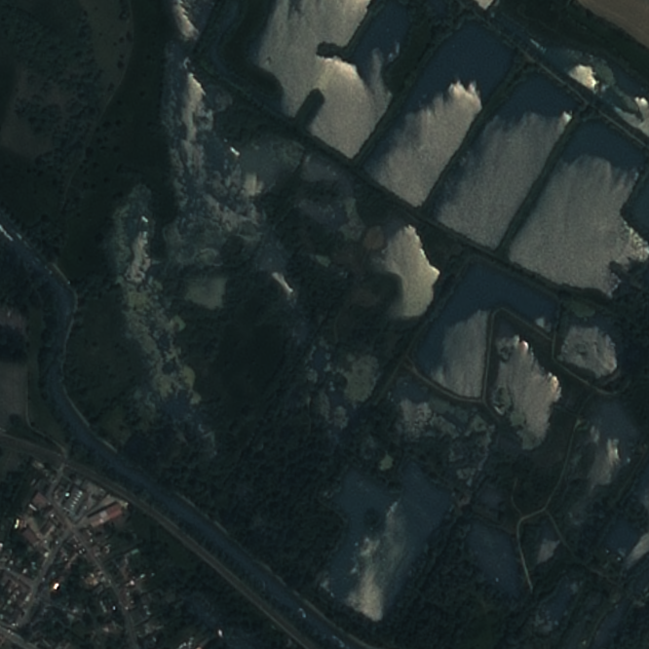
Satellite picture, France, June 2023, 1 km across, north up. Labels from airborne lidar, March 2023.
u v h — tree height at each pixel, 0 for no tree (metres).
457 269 5
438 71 0
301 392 7
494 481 6
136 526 0
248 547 18
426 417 0
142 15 0
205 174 0
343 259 0
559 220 0
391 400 0
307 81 0
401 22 0
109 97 0
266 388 6
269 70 0
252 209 0
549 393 0
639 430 0
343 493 0
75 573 15
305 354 12
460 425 0
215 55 0
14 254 29
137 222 0
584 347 0
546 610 0
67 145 11
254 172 0
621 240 0
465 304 0
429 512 0
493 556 0
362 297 0
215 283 0
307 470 15
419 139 0
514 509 0
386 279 0
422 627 14
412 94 0
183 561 0
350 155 0
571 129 0
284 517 9
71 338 7
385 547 0
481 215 0
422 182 0
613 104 0
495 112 0
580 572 6
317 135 0
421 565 10
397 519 0
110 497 0
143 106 0
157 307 0
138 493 13
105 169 0
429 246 0
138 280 0
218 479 7
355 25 0
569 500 7
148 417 0
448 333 0
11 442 0
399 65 0
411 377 0
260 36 0
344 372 0
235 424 13
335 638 0
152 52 0
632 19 0
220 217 0
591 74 0
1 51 0
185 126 0
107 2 0
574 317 0
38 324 0
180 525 13
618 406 0
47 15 0
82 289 7
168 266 0
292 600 0
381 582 0
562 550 8
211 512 8
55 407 15
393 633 12
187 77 0
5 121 0
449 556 13
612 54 0
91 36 13
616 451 0
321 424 11
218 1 6
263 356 0
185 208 0
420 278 0
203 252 0
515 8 0
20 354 17
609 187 0
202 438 0
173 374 0
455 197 0
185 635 0
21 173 0
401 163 0
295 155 0
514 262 0
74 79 6
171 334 0
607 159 0
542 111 0
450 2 10
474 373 0
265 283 8
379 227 0
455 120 0
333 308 8
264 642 13
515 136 0
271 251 0
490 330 0
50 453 0
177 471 16
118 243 0
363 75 0
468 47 0
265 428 9
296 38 0
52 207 0
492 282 0
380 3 9
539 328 0
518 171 0
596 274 0
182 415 0
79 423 0
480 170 0
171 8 0
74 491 0
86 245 0
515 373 0
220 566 0
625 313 6
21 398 0
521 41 11
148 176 0
